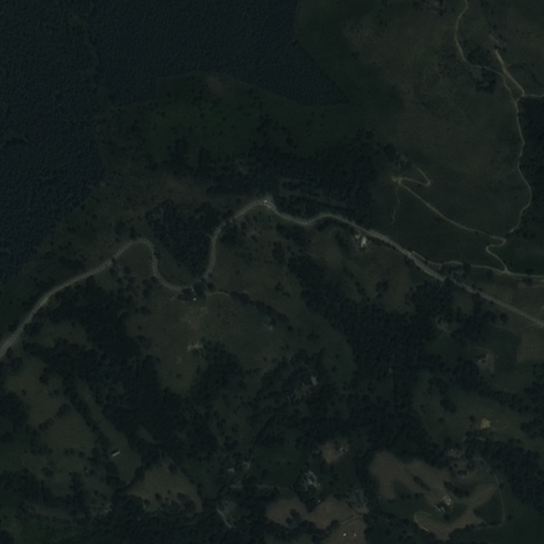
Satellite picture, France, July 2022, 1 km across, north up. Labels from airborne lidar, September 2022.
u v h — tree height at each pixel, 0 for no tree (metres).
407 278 0
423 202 0
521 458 11
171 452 18
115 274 16
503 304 0
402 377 19
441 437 0
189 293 18
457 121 0
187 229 17
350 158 8
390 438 12
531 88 0
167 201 7
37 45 16
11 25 16
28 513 21
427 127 0
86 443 0
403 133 0
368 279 0
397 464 0
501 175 0
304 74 14
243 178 20
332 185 17
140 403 17
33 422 0
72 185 18
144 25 13
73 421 0
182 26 15
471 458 16
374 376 14
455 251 0
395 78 0
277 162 23
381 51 0
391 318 13
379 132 0
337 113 0
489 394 14
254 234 0
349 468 0
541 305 0
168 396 11
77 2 18
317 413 10
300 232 11
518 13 0
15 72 17
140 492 0
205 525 24
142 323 0
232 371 20
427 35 0
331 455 0
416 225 0
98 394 10
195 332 0
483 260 0
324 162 14
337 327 15
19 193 27
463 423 0
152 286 18
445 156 0
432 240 0
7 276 21
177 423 18
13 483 22
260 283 0
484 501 0
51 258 6
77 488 8
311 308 19
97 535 8
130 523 19
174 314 0
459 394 0
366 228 12
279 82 16
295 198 8
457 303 0
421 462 0
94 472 16
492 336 0
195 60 17
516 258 0
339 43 0
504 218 0
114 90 11
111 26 12
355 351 8
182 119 0
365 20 0
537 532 0
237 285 0
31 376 0
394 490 0
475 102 0
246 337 0
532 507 7
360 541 0
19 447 0
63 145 21
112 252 0
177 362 0
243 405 11
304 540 0
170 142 0
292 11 17
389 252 0
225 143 0
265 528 26
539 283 0
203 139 0
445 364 7
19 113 18
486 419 0
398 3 0
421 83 0
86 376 8
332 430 13
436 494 0
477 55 7
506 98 0
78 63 21
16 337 0
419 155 0
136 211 0
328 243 0
